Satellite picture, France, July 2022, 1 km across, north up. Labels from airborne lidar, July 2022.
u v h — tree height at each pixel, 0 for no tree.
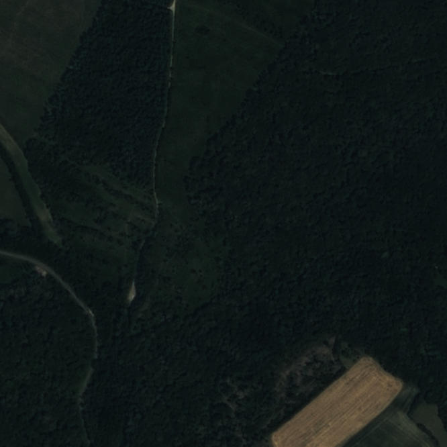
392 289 21
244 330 24
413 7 24
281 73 24
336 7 25
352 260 23
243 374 30
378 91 21
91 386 14
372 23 25
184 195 0
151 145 31
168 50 16
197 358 24
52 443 29
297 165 22
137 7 10
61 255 17
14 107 0
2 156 19
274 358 27
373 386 0
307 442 0
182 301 27
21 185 19
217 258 0
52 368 22
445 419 13
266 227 23
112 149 19
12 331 27
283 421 9
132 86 13
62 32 0
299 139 27
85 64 19
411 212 27
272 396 9
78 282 16
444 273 20
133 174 20
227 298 22
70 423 26
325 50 25
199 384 23
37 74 0
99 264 25
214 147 13
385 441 0
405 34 21
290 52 18
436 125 30
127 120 18
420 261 27
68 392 27
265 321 27
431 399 12
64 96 28
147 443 30
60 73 0
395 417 0
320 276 30
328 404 0
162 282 15
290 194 25
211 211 26
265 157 28
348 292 20
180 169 0
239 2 7
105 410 24
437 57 24
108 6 20
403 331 24
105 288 19
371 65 19
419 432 0
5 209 0
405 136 21
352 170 29
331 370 9
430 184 29
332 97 24
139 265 14
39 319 23
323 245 19
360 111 24
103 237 23
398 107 29
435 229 30
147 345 30
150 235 13
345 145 18
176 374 27
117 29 16
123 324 9
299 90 24
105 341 20
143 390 31
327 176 28
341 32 24
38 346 22
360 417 0
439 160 27
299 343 25
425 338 30
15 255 0
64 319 28
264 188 23
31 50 0
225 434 27
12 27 0
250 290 24
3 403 28
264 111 27
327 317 22
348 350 9
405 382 7
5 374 25
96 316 17
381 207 26
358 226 22
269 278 23
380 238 17
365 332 20
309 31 23
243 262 21
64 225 24
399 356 22
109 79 28
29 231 11
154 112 24
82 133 19
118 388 24
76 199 22
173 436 27
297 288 30
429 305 29
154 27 24
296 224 25
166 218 8
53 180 18
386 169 31
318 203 25
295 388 7
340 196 29
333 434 0
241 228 26
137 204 20
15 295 26
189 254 13
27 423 32
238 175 23
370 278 25
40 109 0
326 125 25
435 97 20
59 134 20
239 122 26
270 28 8
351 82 25
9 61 0
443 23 23
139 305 20
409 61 12
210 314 26
